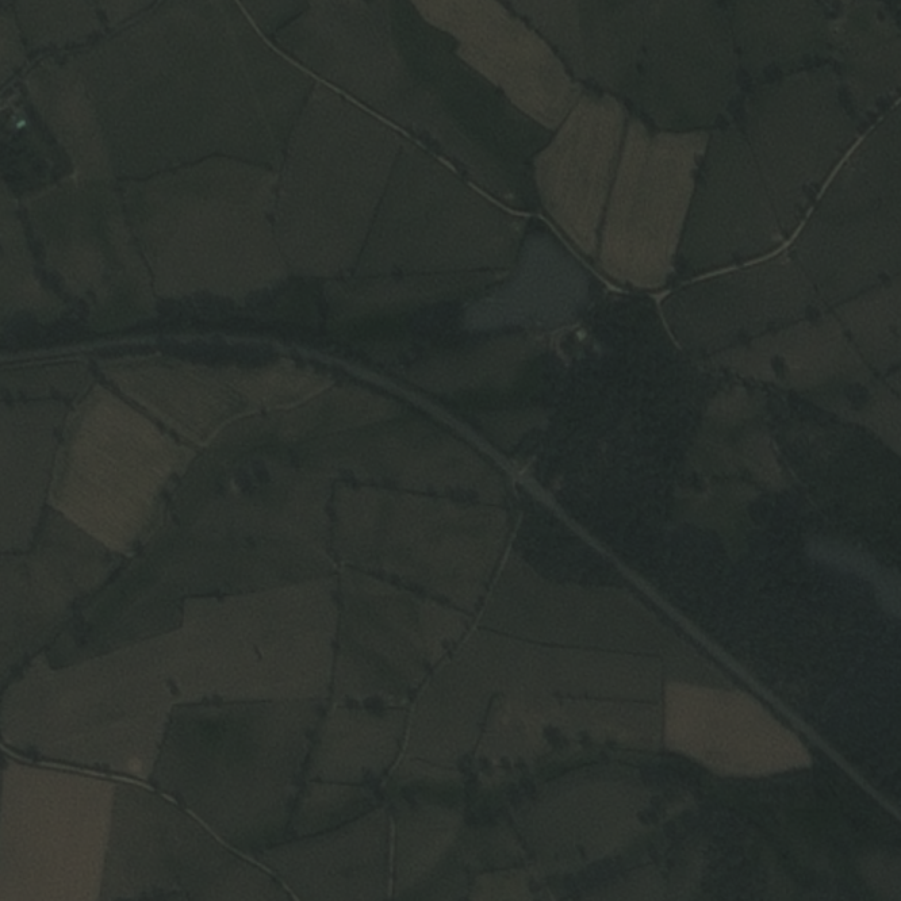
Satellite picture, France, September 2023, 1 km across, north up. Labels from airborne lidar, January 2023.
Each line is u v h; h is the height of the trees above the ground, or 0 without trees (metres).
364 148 0
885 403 0
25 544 0
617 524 13
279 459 0
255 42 0
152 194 0
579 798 0
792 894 0
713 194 0
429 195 0
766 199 0
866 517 12
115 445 0
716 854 9
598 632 0
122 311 0
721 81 0
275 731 0
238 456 0
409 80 0
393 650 0
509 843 0
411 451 0
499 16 0
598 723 0
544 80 0
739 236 0
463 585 0
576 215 0
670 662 0
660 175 0
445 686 0
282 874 0
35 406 0
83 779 0
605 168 0
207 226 0
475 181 0
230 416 0
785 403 16
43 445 0
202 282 0
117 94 0
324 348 8
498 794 0
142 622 0
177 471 0
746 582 21
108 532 0
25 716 0
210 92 0
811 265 0
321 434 0
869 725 22
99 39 13
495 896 0
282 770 0
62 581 0
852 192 0
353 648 0
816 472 12
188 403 0
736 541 0
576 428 9
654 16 0
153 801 0
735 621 11
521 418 0
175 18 0
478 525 0
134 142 0
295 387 0
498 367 0
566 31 0
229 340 0
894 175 0
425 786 0
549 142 0
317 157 0
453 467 0
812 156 0
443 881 0
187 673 0
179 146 0
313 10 0
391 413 0
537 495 0
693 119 0
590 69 0
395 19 0
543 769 0
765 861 0
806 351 0
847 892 16
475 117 0
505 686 0
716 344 0
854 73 0
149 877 0
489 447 0
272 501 0
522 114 0
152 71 0
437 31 0
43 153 0
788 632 17
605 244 0
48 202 0
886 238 0
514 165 0
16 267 0
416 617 0
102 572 0
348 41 0
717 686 0
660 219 0
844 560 0
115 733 0
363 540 0
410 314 0
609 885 16
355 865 0
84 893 0
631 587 10
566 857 0
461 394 0
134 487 0
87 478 0
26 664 12
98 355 8
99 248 0
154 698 0
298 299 0
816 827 0
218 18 0
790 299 0
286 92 0
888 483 11
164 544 0
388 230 0
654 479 12
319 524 0
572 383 13
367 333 0
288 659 0
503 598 0
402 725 0
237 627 0
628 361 8
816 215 0
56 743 0
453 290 0
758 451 0
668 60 0
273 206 0
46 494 0
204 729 0
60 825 0
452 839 0
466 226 0
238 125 0
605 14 0
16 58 0
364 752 0
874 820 12
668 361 12
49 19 0
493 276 0
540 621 0
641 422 12
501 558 0
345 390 0
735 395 0
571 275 0
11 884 0
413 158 0
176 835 0
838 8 11
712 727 0
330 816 0
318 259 0
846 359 0
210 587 0
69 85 0
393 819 11
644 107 0
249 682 0
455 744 0
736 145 0
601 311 7
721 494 0
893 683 24
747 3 0
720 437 0
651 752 0
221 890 0
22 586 0
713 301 0
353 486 13
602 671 0
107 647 0
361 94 0
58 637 0
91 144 0
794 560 24
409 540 0
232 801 0
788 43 0
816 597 11
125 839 0
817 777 16
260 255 0
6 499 0
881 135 0
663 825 0
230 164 0
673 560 17
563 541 8
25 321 12
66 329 9
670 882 10
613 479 13
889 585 0
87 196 0
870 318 0
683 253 0
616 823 0
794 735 0
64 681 0
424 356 16
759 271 0
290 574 0
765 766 0
